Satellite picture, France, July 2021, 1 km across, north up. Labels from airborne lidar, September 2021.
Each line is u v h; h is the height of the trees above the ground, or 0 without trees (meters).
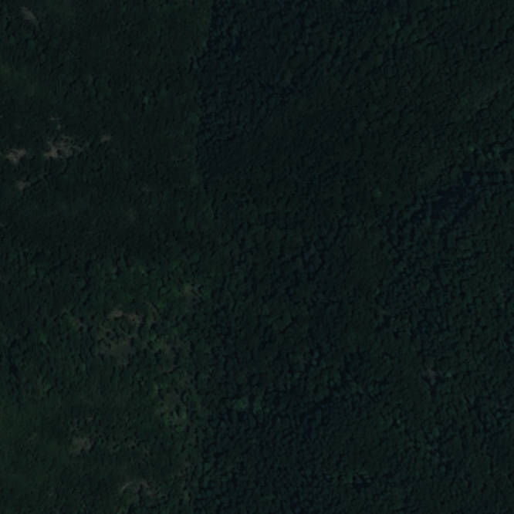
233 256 27
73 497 24
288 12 24
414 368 41
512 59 26
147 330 36
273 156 35
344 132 24
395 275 33
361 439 35
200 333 31
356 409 38
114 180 29
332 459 35
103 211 11
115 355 7
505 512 26
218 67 28
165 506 30
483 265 21
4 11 31
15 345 10
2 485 26
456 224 18
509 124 29
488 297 27
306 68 34
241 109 21
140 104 33
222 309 7
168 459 20
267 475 27
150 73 21
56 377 27
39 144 30
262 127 21
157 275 30
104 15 25
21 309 36
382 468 27
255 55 19
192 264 10
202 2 33
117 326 32
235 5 18
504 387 19
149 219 19
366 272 21
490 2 30
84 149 32
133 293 31
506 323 33
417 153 28
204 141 27
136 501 6
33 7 18
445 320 24
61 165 40
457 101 24
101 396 6
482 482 34
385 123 39
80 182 33
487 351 38
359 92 23
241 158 27
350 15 34
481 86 8
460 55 37
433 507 30
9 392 29
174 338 32
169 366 37
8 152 30
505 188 21
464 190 32
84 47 30
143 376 34
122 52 18
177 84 27
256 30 27
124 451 36
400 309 23
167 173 25
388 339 40
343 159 22
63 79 20
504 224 22
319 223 31
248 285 26
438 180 17
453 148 24
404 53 19
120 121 30
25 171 12
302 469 8
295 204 30
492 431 31
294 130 24
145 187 31
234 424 35
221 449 31
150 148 24
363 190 14
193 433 26
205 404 35
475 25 26
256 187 26
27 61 25
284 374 32
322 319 30
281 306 38
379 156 19
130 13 22
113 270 28
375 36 31
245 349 29
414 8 34
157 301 37
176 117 19
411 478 20
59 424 20
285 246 22
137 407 26
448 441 19
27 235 23
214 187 23
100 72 27
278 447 26
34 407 17
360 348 31
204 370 29
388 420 35
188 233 19
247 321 38
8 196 11
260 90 28
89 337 29
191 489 29
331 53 36
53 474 7
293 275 13
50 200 21
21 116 13
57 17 13
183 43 23
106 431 32
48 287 27
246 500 30
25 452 24
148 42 28
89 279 15
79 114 12
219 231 31
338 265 35
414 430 32
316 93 34
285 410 36
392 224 36
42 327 21
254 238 29
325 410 22
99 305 33
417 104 30
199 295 29
